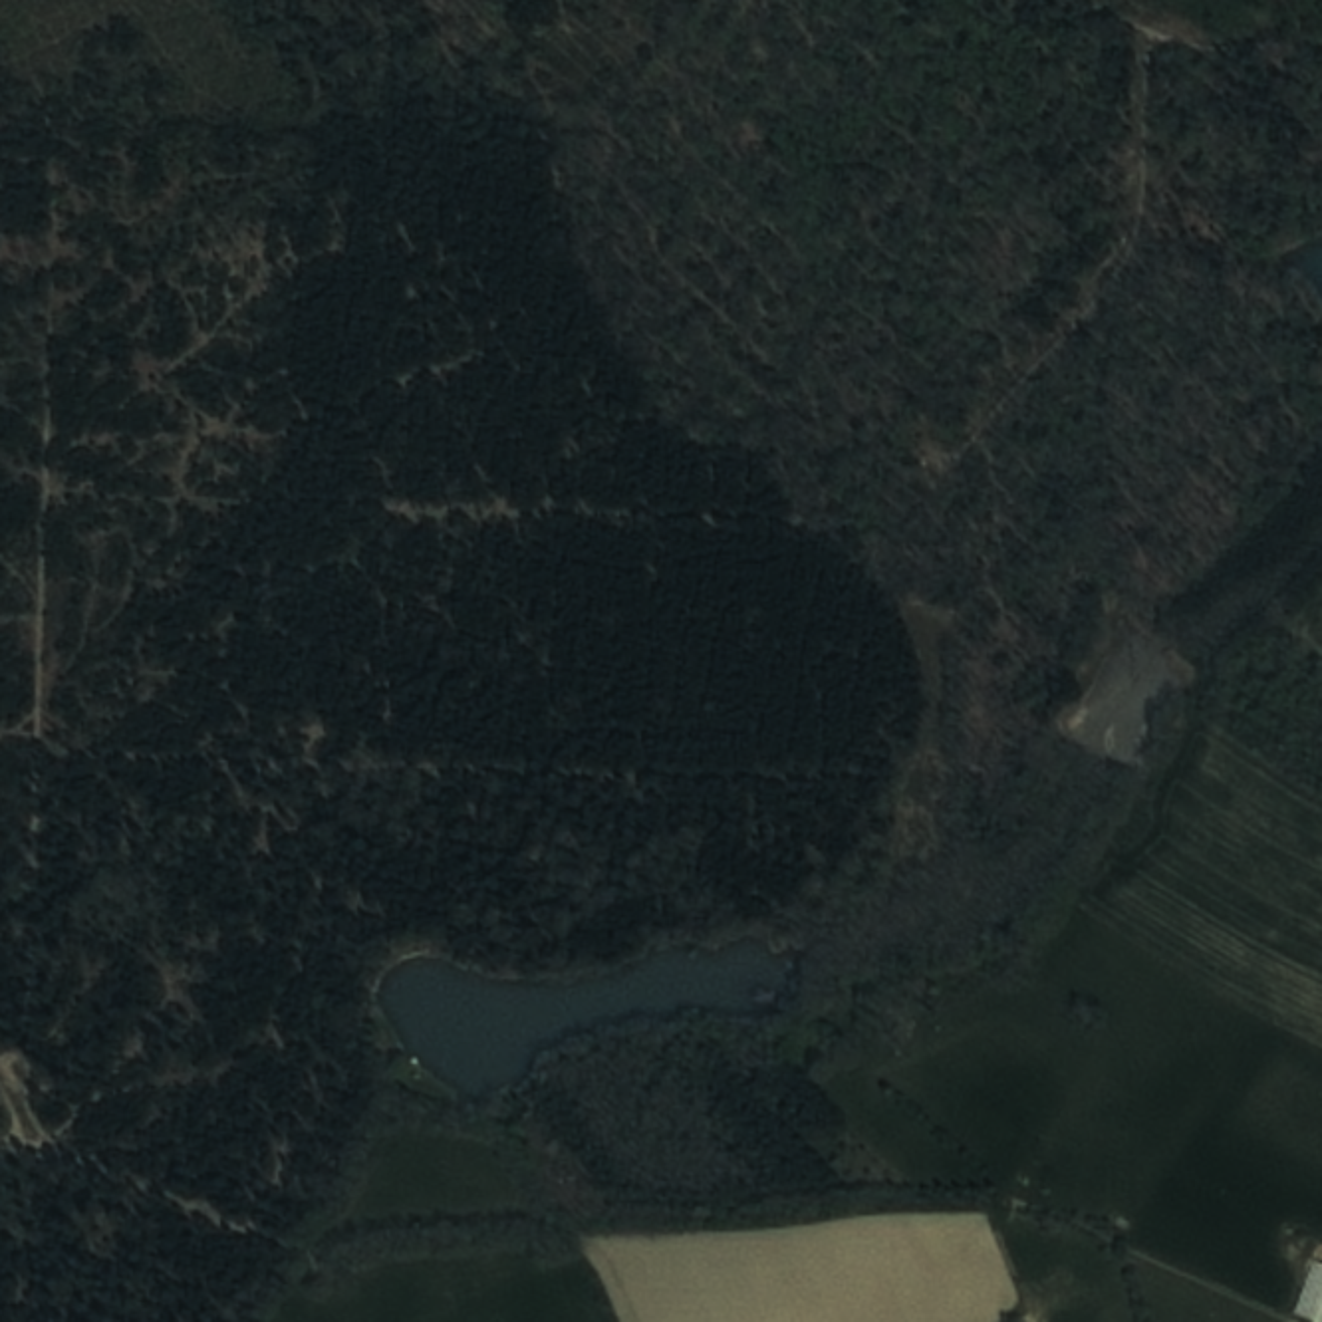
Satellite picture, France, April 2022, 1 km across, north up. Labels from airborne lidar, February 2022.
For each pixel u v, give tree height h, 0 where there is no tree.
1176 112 17
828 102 28
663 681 17
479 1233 20
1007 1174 0
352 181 15
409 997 0
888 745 15
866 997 22
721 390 26
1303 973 0
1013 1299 0
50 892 27
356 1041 15
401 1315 0
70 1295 34
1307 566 21
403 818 24
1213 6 7
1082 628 24
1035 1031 0
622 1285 0
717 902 32
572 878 29
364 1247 25
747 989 0
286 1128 18
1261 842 0
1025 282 27
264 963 17
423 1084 0
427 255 12
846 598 21
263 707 16
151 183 7
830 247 25
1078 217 16
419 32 6
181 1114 8
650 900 17
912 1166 0
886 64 25
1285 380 29
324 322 14
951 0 24
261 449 13
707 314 24
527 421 13
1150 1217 0
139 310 7
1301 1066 0
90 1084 11
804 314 28
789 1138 21
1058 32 13
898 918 25
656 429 15
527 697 19
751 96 13
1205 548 31
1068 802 24
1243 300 28
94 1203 13
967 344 27
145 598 16
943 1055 0
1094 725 0
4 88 13
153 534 9
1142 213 0
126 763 17
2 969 12
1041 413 31
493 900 19
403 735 16
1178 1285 0
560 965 26
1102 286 0
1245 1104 0
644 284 27
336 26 9
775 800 19
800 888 14
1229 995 0
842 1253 0
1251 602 21
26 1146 0
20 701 7
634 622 15
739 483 23
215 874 14
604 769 11
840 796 16
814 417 24
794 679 21
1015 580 28
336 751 8
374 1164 24
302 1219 14
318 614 23
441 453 11
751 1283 0
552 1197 21
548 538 7
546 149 16
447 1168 0
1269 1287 0
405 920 12
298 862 9
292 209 9
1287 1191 0
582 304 17
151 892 20
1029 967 20
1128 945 0
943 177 30
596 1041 23
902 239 27
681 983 0
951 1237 0
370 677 12
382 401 17
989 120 28
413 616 6
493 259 11
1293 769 16
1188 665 0
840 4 28
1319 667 10
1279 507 20
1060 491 23
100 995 11
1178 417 30
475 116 26
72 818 12
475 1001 0
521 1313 0
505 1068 0
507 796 20
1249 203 28
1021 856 27
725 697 18
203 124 9
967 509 15
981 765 29
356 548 15
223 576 15
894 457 30
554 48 7
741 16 32
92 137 8
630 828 28
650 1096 20
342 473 17
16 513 12
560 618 16
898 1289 0
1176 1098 0
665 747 18
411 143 24
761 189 27
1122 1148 0
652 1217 22
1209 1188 0
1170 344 28
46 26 7
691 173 27
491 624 12
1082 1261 0
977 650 26
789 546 19
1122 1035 0
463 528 24
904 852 0
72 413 8
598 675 17
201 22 6
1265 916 0
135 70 10
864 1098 0
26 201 16
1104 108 21
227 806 24
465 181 12
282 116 9
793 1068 18
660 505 17
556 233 16
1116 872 0
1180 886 0
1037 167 26
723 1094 19
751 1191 19
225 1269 20
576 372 15
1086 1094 0
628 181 32
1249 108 26
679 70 31
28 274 6
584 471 8
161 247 10
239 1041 12
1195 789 0
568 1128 20
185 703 8
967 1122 0
